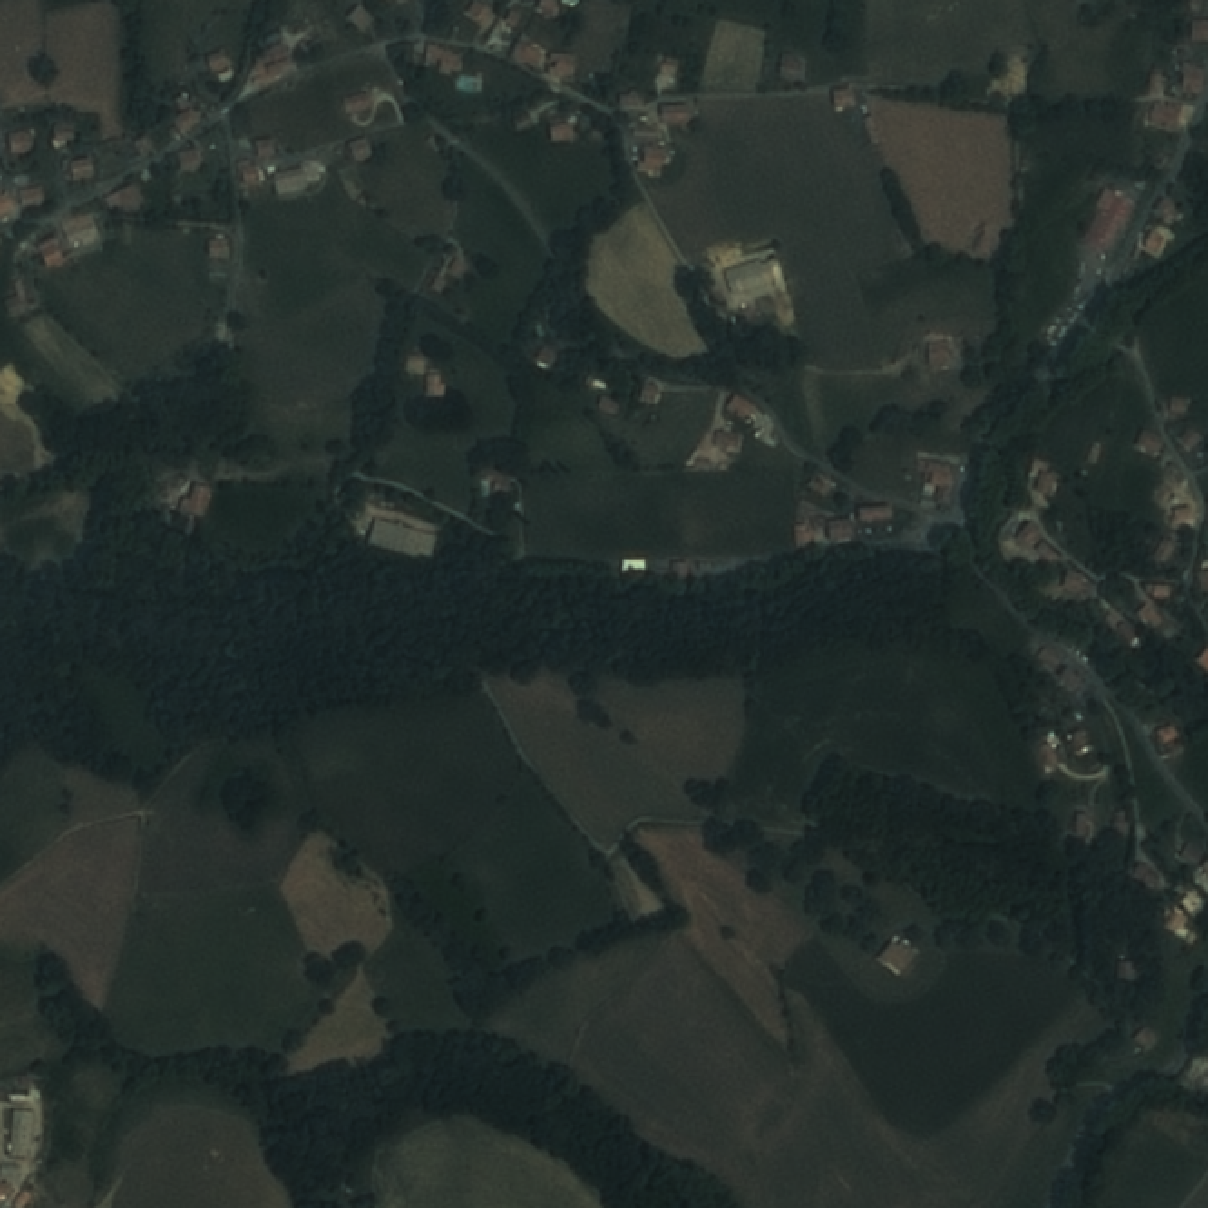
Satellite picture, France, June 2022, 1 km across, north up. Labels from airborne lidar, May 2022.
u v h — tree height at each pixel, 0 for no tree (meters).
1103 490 0
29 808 0
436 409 26
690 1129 0
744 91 0
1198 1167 0
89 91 0
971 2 0
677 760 0
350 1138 23
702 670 12
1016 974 0
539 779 8
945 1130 0
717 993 0
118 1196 0
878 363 0
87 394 0
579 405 0
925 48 0
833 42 14
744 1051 0
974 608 0
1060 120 13
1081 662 0
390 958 0
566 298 20
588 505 0
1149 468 0
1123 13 0
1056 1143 0
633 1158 29
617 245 0
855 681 0
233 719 9
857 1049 0
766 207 0
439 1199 0
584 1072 0
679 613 29
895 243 0
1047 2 0
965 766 0
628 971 0
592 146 0
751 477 0
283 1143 26
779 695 0
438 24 19
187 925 0
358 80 0
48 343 0
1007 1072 0
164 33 0
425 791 0
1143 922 26
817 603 24
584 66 0
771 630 24
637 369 14
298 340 0
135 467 33
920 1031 0
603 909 0
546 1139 21
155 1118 0
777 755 0
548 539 0
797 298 0
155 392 23
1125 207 0
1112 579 9
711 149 0
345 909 0
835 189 0
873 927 12
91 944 0
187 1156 0
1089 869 21
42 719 22
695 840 0
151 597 21
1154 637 11
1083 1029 0
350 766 0
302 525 0
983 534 25
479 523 10
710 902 0
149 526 28
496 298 0
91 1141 0
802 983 0
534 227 0
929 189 0
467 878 7
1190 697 22
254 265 0
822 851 11
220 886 0
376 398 22
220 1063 18
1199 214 14
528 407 8
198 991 0
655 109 0
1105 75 0
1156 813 0
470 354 0
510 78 0
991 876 23
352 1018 0
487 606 28
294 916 0
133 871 0
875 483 0
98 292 0
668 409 0
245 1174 0
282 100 0
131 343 0
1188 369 0
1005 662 10
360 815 0
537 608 18
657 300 0
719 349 20
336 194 0
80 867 0
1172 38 6
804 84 9
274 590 21
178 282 0
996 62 9
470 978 27
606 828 0
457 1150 0
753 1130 0
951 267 0
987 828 13
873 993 0
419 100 6
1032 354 11
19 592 26
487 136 0
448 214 0
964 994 0
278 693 19
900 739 0
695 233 0
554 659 25
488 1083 24
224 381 25
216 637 26
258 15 8
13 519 0
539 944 0
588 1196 0
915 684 0
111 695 0
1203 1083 0
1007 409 16
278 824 0
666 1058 0
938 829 13
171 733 16
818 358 0
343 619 21
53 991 24
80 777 0
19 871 0
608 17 0
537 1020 0
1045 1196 0
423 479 0
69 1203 0
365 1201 9
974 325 0
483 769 0
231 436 11
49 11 0
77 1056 13
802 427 0
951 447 0
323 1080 24
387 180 0
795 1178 0
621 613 21
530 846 0
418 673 28
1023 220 6
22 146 0
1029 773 0
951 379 0
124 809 0
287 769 0
